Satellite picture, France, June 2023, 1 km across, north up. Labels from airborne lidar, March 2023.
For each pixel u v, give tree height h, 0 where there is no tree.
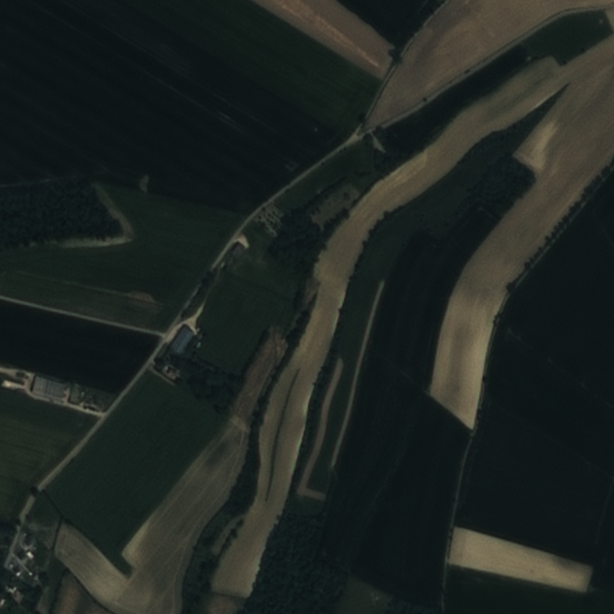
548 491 0
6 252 0
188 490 0
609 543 0
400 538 0
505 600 0
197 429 0
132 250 0
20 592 7
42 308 0
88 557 0
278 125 0
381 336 0
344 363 0
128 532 0
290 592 17
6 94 0
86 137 0
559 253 0
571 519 0
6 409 0
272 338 0
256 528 0
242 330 0
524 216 0
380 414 0
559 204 0
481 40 0
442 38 0
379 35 0
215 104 0
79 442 0
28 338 0
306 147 0
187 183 0
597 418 0
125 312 0
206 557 5
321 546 0
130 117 0
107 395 0
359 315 0
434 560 0
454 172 0
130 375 0
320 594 13
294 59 0
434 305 0
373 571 0
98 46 0
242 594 0
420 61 0
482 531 0
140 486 0
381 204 0
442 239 0
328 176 0
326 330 0
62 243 0
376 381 0
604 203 0
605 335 0
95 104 0
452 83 0
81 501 0
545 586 0
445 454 0
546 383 0
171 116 0
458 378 0
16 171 0
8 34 0
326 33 0
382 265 0
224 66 0
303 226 17
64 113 0
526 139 0
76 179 0
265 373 0
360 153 0
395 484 0
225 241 0
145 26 0
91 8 0
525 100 0
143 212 0
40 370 0
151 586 0
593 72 0
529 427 0
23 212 17
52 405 0
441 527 0
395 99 0
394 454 0
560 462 0
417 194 0
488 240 0
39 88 0
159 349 0
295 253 12
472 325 0
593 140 0
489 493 0
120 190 0
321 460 0
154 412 0
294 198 0
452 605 0
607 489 0
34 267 0
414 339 0
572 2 0
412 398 0
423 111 0
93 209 20
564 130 0
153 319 0
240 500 11
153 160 0
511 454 0
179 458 0
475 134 0
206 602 0
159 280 0
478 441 0
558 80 0
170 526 0
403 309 0
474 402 0
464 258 0
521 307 0
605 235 0
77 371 0
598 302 0
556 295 0
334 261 0
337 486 0
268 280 0
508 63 0
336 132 0
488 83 0
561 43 0
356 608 0
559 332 0
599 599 0
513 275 0
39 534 0
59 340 0
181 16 0
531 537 0
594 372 0
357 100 0
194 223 0
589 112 0
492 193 16
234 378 18
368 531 0
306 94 0
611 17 0
